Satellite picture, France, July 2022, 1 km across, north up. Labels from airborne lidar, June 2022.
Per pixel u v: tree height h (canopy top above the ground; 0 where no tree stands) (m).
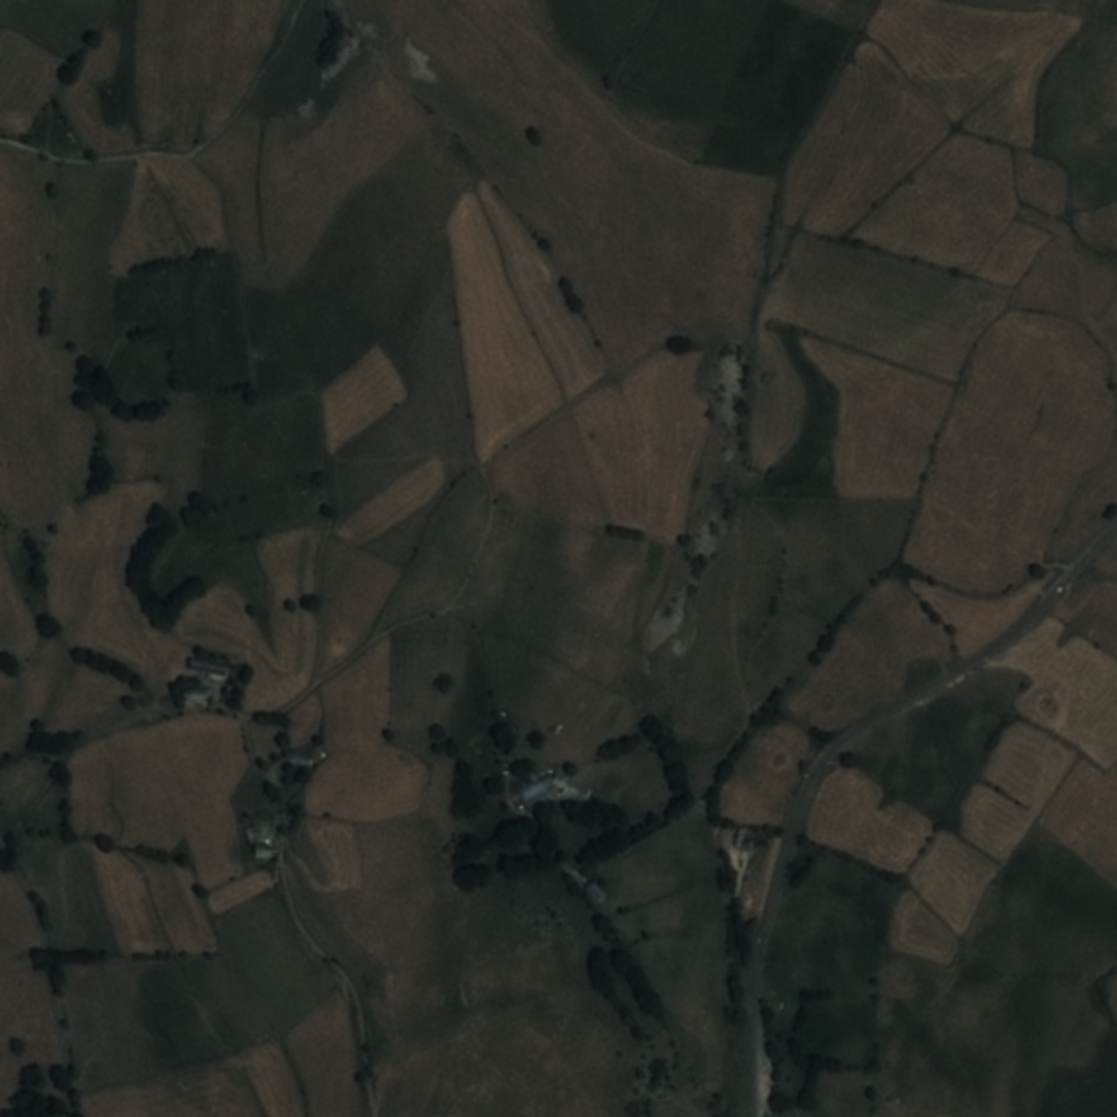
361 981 0
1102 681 0
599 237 0
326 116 0
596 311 0
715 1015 0
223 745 0
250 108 0
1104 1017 0
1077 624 0
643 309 0
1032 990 0
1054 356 0
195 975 0
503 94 0
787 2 0
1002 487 0
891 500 0
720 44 0
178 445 0
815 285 0
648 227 0
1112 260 0
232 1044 0
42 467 0
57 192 10
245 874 0
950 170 0
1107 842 0
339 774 0
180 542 0
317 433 0
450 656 0
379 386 0
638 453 0
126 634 0
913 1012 0
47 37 0
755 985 0
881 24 0
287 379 0
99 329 0
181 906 0
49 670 0
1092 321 0
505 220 0
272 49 0
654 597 0
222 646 0
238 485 0
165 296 0
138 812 0
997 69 0
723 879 9
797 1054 10
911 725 0
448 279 0
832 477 0
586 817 25
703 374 0
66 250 0
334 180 0
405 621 0
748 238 0
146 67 0
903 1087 0
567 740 0
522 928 0
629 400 0
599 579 0
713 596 0
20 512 0
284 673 0
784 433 0
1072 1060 0
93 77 0
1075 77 0
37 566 9
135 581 21
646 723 11
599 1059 0
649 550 0
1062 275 0
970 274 0
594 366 0
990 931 0
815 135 0
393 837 0
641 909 0
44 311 10
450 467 0
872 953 0
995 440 0
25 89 0
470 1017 0
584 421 0
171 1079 0
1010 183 0
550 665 0
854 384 0
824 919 0
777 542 0
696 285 0
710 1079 0
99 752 0
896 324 0
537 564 0
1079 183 0
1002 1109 0
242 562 0
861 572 0
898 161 0
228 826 0
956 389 0
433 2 0
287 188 0
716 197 0
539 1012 0
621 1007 9
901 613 0
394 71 0
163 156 0
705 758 0
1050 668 0
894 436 0
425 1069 0
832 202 0
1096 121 0
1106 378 0
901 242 0
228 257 0
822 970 0
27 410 0
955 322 0
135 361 0
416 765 0
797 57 0
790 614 0
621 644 0
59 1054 0
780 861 0
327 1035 0
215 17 0
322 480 15
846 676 0
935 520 0
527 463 0
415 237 0
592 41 0
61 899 0
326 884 0
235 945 0
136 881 0
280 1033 0
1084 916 0
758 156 0
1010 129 0
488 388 0
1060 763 0
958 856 0
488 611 0
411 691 0
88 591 0
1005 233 0
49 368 0
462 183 0
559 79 0
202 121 0
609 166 0
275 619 0
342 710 0
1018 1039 0
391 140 0
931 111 0
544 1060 0
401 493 0
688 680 0
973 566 0
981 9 0
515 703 0
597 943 0
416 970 0
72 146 0
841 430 0
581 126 0
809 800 0
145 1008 0
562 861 16
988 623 0
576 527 0
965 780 0
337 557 0
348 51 0
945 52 0
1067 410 0
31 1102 20
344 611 0
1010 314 0
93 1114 0
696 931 0
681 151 0
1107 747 0
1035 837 0
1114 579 0
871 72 0
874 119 0
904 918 0
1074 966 0
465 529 0
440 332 0
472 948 0
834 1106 0
